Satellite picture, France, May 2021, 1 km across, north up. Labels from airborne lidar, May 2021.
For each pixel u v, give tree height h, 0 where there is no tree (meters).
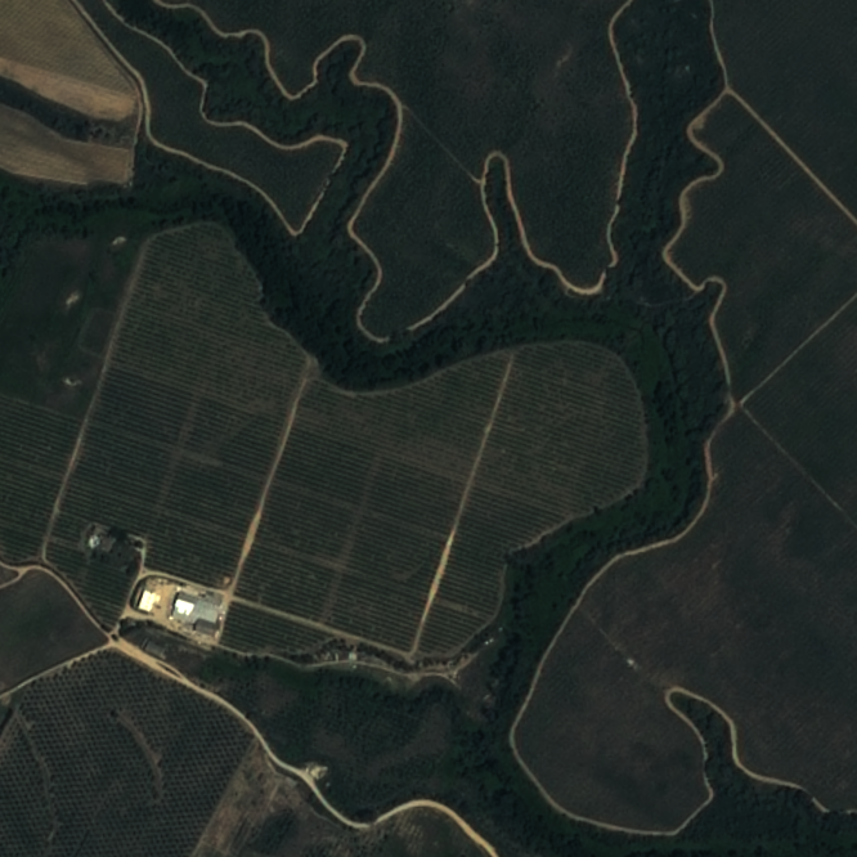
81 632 0
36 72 0
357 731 6
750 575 0
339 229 11
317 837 0
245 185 8
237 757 5
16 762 5
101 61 0
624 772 0
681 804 0
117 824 6
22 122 0
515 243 10
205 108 8
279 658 0
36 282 0
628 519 6
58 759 6
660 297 6
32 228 11
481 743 26
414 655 0
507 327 9
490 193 10
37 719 6
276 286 24
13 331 0
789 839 7
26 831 6
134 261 0
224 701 0
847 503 0
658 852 14
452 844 0
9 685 0
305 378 0
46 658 0
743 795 11
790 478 0
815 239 0
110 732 6
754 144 0
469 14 0
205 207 13
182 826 6
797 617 0
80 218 14
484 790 10
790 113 0
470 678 0
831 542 0
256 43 12
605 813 0
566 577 8
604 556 8
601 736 0
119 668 5
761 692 0
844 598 0
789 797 8
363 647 8
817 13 0
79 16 0
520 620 18
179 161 6
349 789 6
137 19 11
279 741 0
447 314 7
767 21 0
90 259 0
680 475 8
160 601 0
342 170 7
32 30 0
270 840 6
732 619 0
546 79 0
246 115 6
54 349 0
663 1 7
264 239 16
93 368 0
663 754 0
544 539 10
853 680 0
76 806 6
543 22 0
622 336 8
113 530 10
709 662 0
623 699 0
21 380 0
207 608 0
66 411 0
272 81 8
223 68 7
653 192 7
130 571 12
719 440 0
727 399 0
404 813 0
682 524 10
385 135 14
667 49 7
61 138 0
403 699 10
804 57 0
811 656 0
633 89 6
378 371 23
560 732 0
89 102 0
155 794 5
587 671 0
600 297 8
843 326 0
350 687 8
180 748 6
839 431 0
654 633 0
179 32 10
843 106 0
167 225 11
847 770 0
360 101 6
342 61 7
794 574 0
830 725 0
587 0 0
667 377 9
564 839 18
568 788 0
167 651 0
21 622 0
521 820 18
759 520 0
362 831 0
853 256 0
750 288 0
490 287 9
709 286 10
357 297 7
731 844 0
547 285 13
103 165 0
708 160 12
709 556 0
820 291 0
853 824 15
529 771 0
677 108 6
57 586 0
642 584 0
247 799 0
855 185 0
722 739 11
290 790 0
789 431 0
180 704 5
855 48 0
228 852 0
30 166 0
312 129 9
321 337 20
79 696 6
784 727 0
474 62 0
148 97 0
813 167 0
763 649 0
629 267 14
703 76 7
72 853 6
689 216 0
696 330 10
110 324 0
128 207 15
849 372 0
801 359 0
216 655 0
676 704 0
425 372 15
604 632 0
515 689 26
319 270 13
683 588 0
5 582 0
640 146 6
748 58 0
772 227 0
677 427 8
